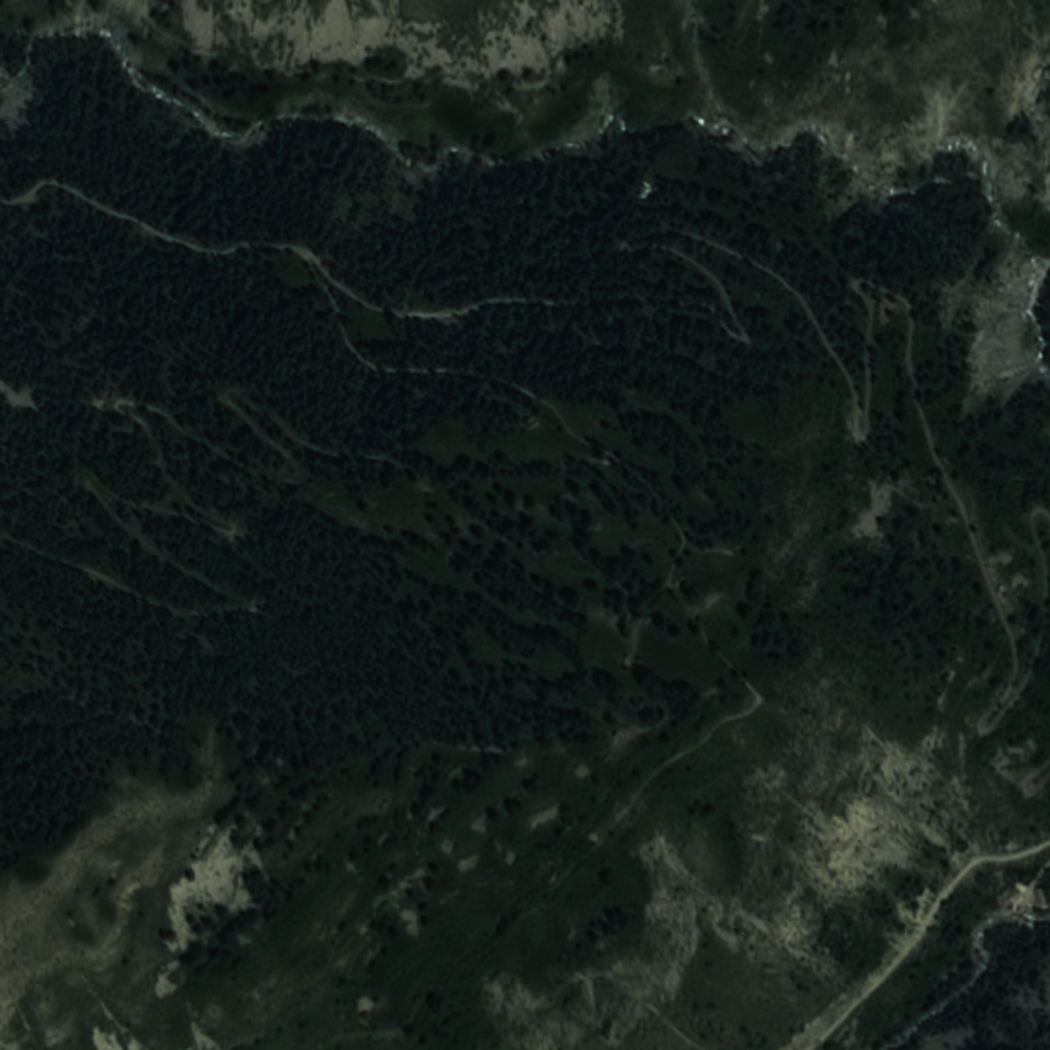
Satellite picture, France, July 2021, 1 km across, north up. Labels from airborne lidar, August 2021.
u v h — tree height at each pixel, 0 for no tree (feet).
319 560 76
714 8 0
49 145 71
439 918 0
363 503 70
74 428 73
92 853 0
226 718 69
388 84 21
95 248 71
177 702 41
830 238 25
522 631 87
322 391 63
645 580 59
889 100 0
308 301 45
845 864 0
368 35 0
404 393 70
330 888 0
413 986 0
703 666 0
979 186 38
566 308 58
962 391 28
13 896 0
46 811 46
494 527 60
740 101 0
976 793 0
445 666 39
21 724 39
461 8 0
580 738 55
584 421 0
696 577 0
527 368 68
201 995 0
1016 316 0
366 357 75
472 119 0
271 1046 0
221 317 51
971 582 21
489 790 0
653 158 40
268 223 49
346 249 39
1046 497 41
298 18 0
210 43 0
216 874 0
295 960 0
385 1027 0
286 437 53
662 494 57
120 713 64
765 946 0
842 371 20
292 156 72
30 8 0
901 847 0
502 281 46
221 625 74
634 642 0
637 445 23
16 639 53
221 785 0
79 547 65
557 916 0
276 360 73
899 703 0
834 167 19
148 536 27
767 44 0
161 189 43
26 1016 0
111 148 74
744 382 70
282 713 75
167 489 66
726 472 55
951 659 19
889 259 58
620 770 21
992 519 20
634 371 45
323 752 68
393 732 57
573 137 0
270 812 0
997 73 0
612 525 0
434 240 71
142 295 60
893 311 47
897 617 43
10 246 47
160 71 0
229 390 0
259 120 35
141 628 53
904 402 80
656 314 25
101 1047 0
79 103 69
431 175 0
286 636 69
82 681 57
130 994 0
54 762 50
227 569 73
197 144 53
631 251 41
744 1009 0
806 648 35
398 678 72
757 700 0
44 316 46
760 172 60
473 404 73
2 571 57
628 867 0
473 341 35
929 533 21
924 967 23
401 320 60
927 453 22
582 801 0
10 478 62
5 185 30
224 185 67
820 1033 0
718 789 0
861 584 24
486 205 52
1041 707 34
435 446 0
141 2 0
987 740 22
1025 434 21
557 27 0
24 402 0
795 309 19
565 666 0
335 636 83
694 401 28
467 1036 0
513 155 21
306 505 39
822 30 39
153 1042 0
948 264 55
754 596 68
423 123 0
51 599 35
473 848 0
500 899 0
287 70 0
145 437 54
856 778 21
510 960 0
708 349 35
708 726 0
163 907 0
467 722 62
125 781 0
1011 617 28
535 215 85
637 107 0
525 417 23
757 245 45
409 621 81
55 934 0
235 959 31
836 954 23
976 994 50
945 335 43
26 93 0
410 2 0
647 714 66
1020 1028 20
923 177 36
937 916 21
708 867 0
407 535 46
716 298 56
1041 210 30
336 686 87
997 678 47
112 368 51
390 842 26
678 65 0
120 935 0
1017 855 0
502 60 0
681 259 21
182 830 0
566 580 0
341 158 37
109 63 60
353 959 0
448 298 35
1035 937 30
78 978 0
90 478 0
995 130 0
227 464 87
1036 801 19
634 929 0
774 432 0
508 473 27
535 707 56
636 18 0
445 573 0
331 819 0
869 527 0
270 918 59
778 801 60
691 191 70
